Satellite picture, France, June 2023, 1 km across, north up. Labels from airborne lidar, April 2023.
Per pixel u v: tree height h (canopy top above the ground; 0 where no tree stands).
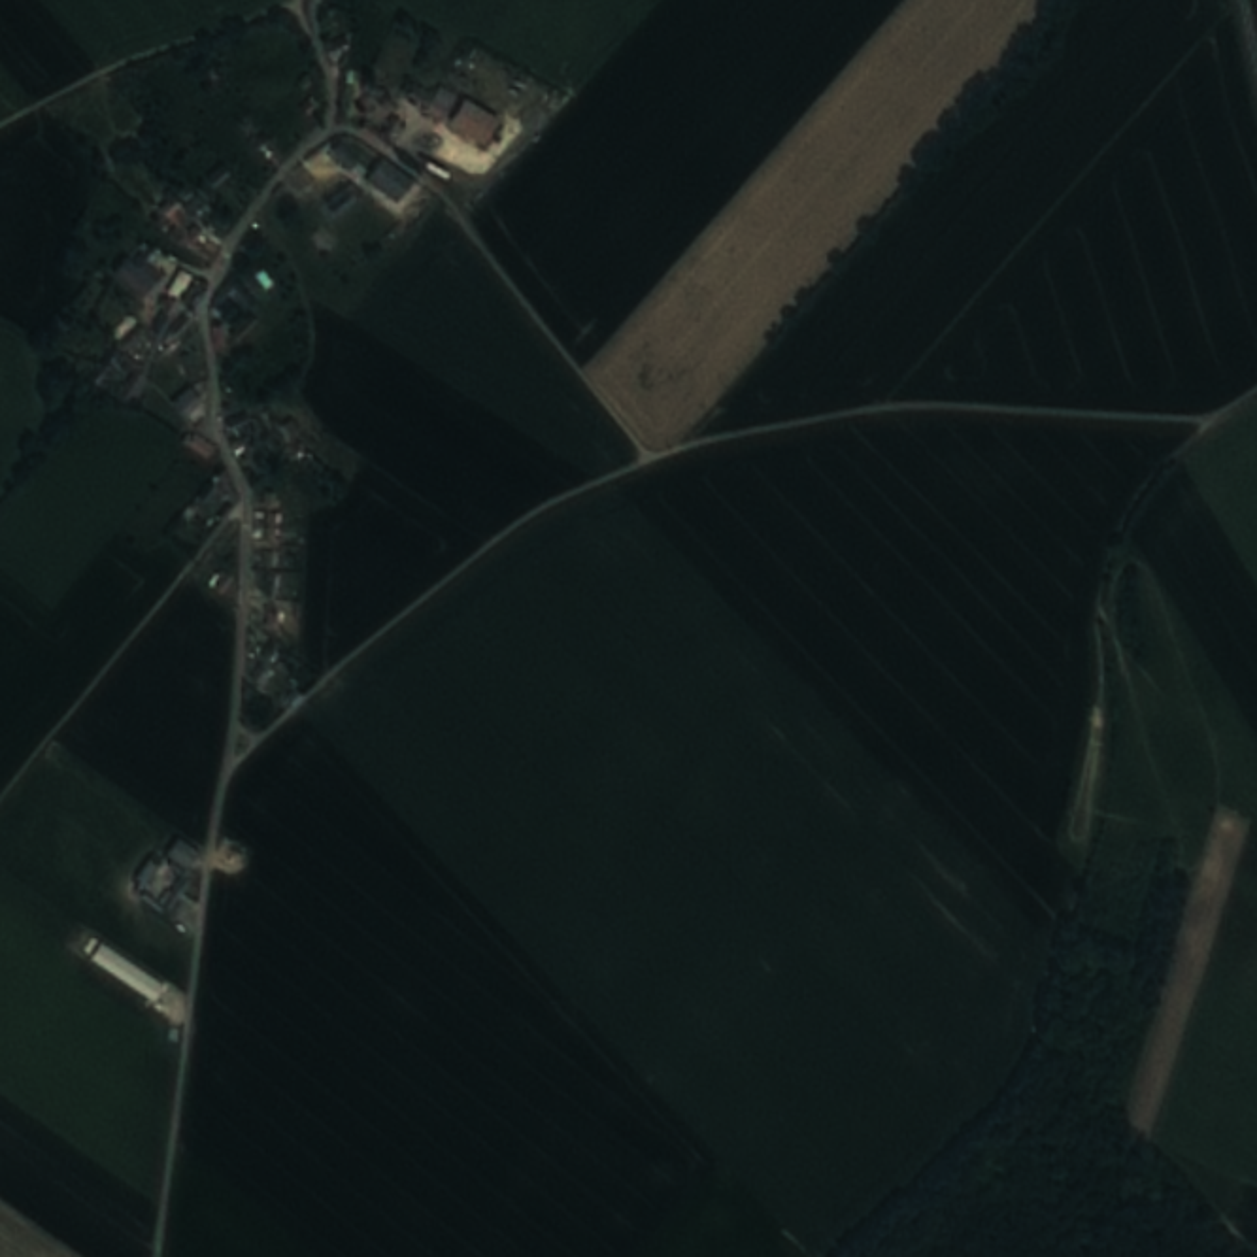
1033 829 0
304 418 0
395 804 0
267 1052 0
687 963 0
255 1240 0
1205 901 0
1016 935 0
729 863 0
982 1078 0
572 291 0
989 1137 21
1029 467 0
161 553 0
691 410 0
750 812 0
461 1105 0
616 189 0
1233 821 0
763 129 0
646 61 0
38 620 0
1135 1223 25
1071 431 0
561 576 0
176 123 0
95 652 0
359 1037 0
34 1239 0
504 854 0
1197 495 0
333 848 0
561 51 0
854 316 0
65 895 0
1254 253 0
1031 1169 24
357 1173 0
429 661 0
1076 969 18
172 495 0
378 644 0
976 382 0
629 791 0
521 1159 0
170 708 0
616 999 0
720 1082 0
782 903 0
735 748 0
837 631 0
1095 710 0
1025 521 0
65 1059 0
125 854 0
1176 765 0
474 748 0
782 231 0
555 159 0
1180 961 0
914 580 0
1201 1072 0
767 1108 0
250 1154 0
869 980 0
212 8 0
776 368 0
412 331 0
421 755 0
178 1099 0
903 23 0
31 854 0
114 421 0
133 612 0
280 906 0
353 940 0
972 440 0
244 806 0
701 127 0
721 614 0
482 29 0
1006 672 0
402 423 0
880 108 0
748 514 0
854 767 0
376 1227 0
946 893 0
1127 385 0
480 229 0
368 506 0
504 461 0
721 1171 0
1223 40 0
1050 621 0
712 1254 0
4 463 0
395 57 0
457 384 0
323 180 0
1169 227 0
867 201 0
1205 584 0
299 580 0
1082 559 0
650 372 0
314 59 9
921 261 0
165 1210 0
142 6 0
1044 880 0
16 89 0
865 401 0
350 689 0
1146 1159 24
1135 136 0
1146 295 0
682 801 0
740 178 0
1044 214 0
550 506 0
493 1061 0
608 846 0
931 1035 0
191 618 0
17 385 0
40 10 0
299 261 0
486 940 0
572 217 0
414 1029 0
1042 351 0
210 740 0
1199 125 0
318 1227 0
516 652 0
